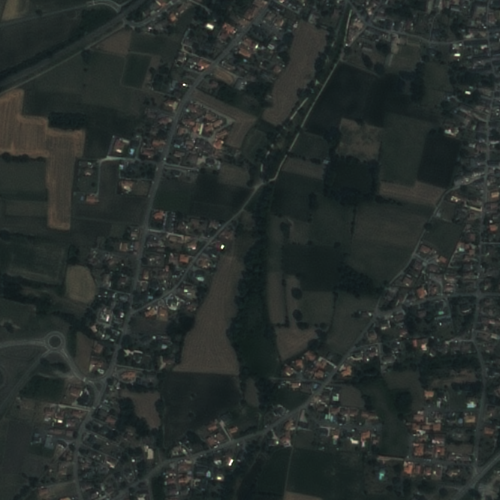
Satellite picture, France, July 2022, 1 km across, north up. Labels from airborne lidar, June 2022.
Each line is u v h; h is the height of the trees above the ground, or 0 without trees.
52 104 0
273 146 15
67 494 0
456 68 9
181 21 0
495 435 0
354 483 0
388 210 0
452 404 0
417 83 23
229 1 13
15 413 0
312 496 0
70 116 7
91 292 0
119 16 0
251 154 0
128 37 0
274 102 0
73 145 0
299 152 0
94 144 0
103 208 0
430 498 0
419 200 0
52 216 0
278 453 0
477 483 0
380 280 0
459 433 0
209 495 15
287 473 0
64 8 0
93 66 0
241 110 0
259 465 0
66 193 0
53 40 0
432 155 0
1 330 0
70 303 0
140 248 0
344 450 0
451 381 0
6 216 0
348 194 26
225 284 0
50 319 0
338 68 0
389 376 0
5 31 0
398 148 0
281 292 0
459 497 0
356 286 18
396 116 0
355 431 8
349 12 0
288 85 0
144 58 0
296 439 0
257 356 0
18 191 0
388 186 0
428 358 9
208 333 0
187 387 0
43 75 0
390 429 0
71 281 0
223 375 0
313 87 19
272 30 0
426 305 8
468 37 0
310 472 0
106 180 0
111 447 0
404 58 0
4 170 0
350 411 0
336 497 0
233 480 21
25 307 0
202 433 0
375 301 0
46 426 0
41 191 0
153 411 0
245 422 0
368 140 0
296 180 0
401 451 0
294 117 0
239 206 0
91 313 14
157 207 0
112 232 0
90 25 0
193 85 0
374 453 9
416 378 0
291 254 0
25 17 0
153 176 15
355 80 0
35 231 0
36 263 0
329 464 0
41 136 0
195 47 10
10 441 0
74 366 0
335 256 0
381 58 0
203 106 0
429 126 0
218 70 0
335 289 12
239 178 0
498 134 12
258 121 0
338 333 0
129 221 0
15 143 0
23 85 0
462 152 12
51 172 0
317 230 0
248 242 0
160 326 0
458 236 0
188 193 0
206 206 0
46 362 16
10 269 0
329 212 0
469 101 6
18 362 0
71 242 0
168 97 6
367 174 0
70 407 0
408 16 8
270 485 0
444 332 0
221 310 0
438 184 0
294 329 0
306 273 0
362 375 9
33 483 13
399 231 0
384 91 0
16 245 0
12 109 0
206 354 0
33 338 0
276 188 0
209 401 0
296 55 0
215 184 0
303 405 0
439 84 0
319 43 0
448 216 0
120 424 18
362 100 0
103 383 0
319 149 0
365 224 0
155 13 0
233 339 15
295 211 0
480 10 0
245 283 17
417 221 0
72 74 0
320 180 0
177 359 10
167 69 8
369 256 0
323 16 9
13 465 0
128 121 0
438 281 0
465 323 7
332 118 0
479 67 0
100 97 0
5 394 0
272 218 0
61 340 0
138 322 0
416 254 0
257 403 0
